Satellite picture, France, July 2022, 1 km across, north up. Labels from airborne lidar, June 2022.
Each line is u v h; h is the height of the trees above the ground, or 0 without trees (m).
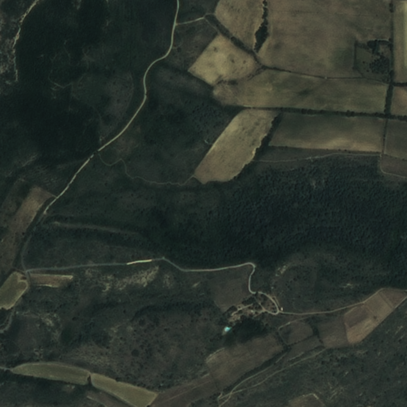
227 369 0
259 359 0
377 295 0
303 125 0
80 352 0
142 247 8
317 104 0
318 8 0
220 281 0
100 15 8
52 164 5
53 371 0
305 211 9
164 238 9
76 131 6
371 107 0
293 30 0
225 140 0
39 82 7
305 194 13
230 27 0
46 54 5
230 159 0
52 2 9
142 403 0
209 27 0
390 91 11
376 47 9
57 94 5
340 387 0
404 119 10
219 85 0
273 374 0
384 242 10
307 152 0
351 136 0
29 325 0
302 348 0
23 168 7
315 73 0
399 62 0
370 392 0
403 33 0
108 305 7
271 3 0
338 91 0
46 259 0
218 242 5
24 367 0
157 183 0
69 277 0
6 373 9
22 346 0
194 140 11
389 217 12
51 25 9
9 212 0
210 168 0
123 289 0
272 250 8
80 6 7
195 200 7
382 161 0
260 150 9
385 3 0
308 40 0
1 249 0
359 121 0
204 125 8
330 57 0
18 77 8
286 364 0
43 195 0
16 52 8
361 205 8
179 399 0
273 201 7
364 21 0
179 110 6
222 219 7
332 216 8
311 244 7
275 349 0
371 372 0
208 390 0
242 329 8
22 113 5
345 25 0
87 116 6
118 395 0
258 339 0
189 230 8
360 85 0
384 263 8
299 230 10
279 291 0
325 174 7
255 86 0
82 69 6
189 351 0
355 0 0
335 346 0
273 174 8
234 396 0
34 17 8
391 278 6
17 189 0
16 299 0
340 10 0
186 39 0
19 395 0
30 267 0
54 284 0
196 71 0
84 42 6
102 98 6
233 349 0
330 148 0
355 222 10
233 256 7
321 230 11
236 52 0
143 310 9
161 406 0
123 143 0
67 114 8
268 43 0
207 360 0
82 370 0
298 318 0
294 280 8
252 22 0
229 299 0
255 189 6
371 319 0
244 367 0
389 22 0
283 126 0
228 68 0
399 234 10
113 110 0
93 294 0
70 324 0
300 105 0
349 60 0
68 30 9
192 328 0
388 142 0
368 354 9
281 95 0
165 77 0
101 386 0
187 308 8
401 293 0
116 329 0
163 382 8
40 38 12
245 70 0
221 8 0
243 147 0
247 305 8
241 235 9
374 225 11
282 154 0
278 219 7
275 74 0
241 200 7
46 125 8
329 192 12
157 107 6
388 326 0
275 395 0
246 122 0
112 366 0
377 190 8
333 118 0
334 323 0
